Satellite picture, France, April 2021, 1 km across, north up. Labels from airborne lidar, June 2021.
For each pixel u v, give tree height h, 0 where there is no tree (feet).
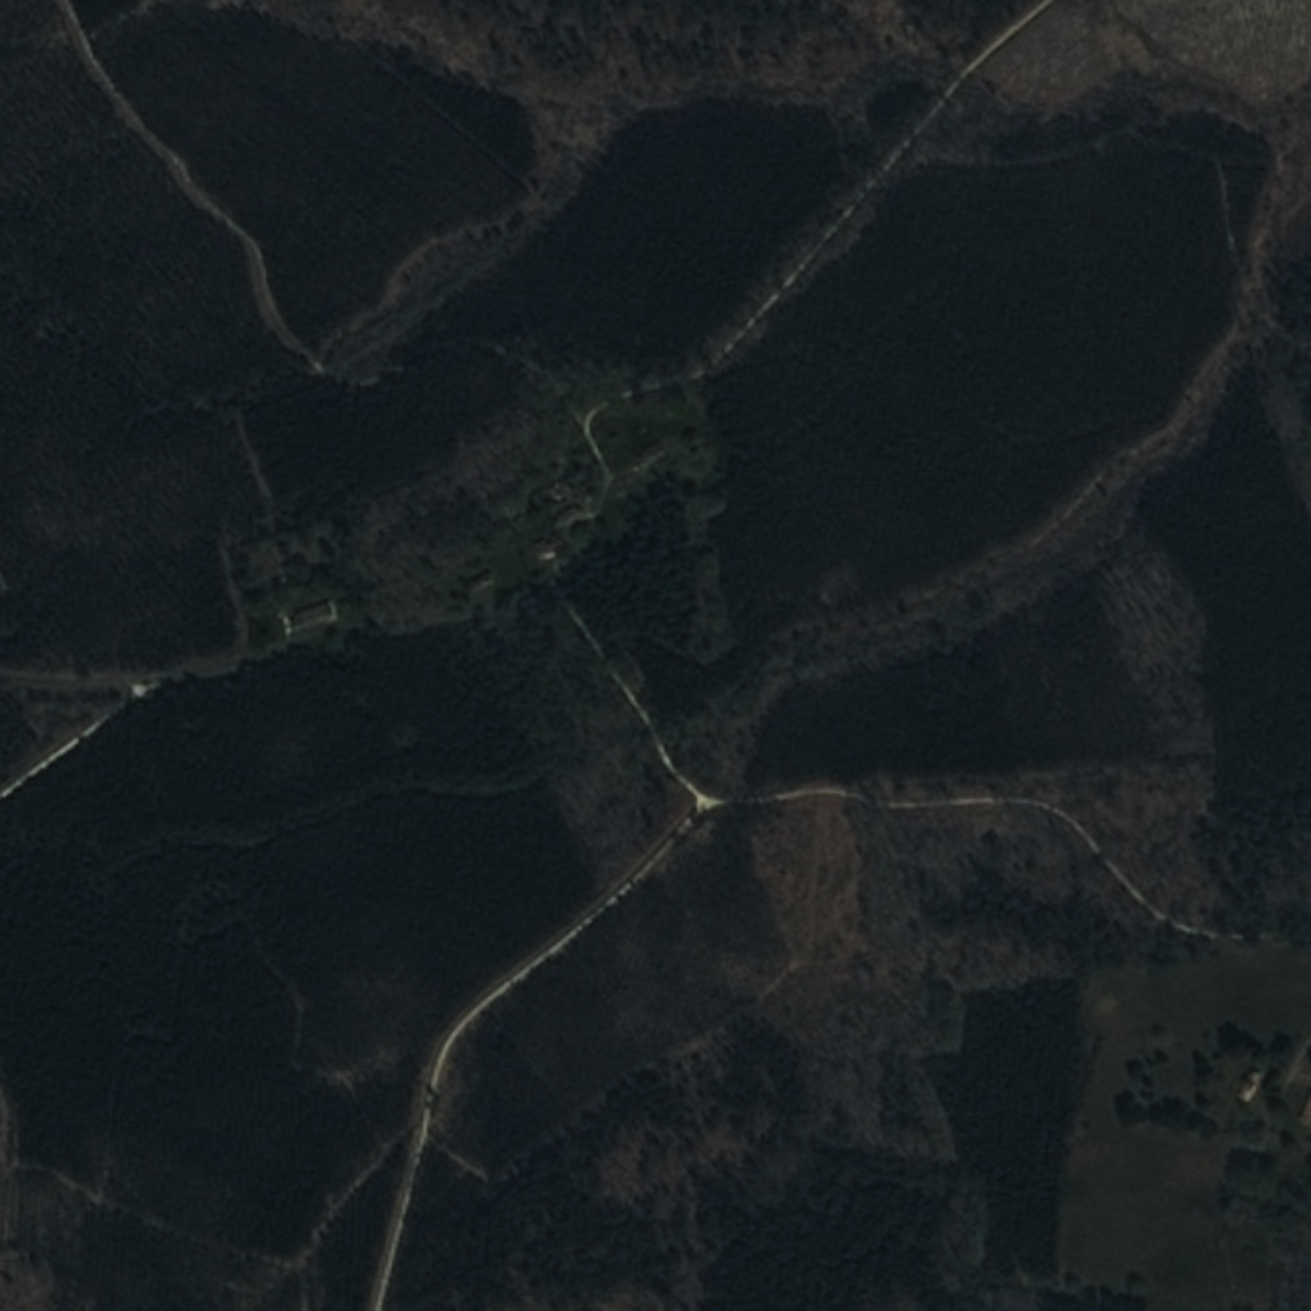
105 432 38
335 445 39
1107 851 46
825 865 0
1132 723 31
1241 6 0
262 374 44
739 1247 43
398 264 35
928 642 20
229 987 38
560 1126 33
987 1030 41
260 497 36
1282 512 36
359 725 28
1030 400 32
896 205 34
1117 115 24
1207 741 39
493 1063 22
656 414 60
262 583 33
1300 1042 26
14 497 34
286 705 30
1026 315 36
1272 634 40
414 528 41
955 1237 45
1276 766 37
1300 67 0
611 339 31
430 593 37
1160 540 37
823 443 30
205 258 38
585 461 38
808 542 35
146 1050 32
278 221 34
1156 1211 0
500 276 33
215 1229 21
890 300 36
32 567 39
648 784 52
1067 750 35
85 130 31
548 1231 52
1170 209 35
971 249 34
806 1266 60
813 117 37
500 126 38
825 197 40
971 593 28
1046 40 0
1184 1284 0
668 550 62
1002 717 39
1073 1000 43
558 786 35
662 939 27
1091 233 30
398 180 39
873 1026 36
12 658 36
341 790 39
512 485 28
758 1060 44
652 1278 49
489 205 33
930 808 37
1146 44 0
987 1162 47
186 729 34
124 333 38
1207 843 44
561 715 60
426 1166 33
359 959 30
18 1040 32
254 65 33
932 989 62
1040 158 30
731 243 34
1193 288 42
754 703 32
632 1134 37
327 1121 31
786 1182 42
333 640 36
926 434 40
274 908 31
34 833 32
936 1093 40
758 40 56
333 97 33
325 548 30
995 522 33
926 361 36
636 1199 27
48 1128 31
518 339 53
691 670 37
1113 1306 39
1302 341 46
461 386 27
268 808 37
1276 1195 68
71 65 26
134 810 39
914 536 32
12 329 44
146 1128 30
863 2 27
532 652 99
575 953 26
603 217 35
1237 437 37
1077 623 32
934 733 40
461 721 31
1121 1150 0
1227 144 34
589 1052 24
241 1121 27
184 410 23
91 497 35
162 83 33
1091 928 62
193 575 36
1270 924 68
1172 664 33
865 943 44
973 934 36
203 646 39
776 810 24
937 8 37
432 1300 32
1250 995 0
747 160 36
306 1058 24
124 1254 22
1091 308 39
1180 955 63
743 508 34
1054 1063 41
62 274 40
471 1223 32
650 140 35
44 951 42
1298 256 19
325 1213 28
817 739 37
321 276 33
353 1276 24
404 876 35
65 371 35
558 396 40
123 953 39
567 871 40
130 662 31
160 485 33
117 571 33
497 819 38
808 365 37
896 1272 61
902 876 48
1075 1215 0
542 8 51
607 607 67
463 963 36
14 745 40
